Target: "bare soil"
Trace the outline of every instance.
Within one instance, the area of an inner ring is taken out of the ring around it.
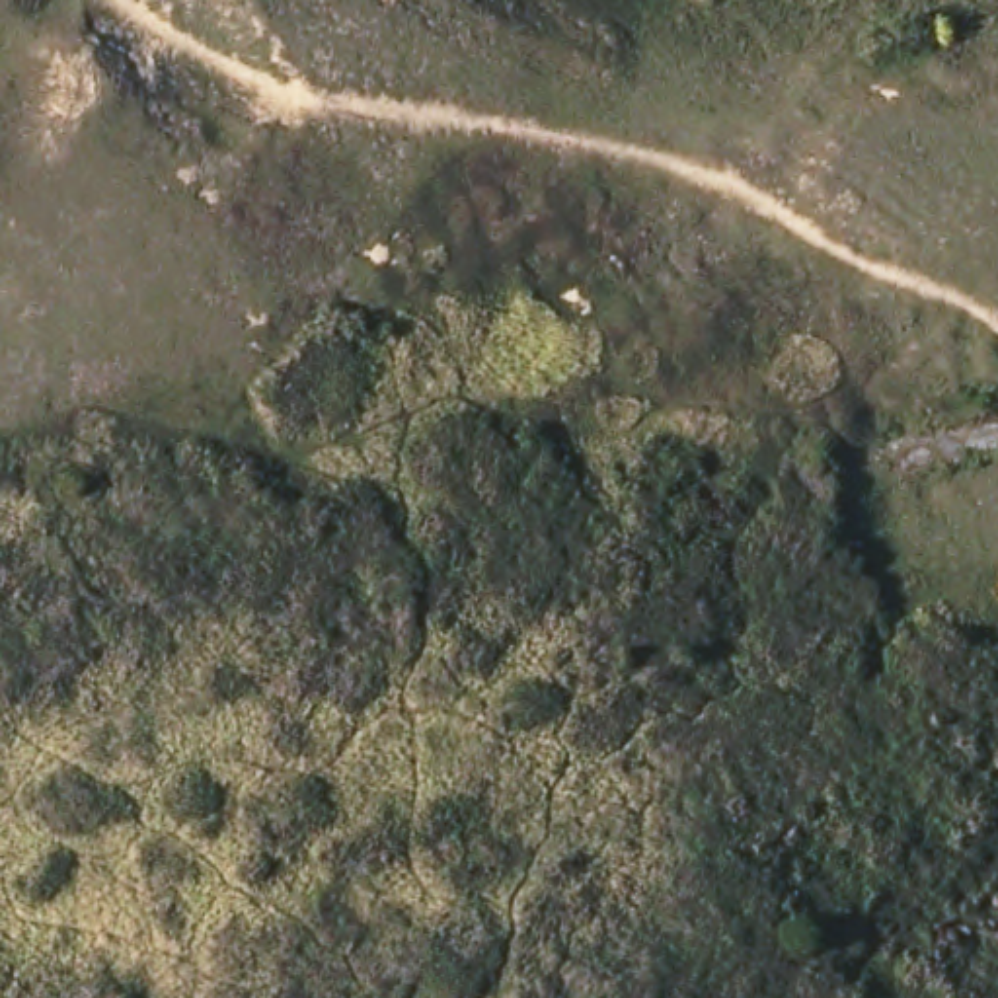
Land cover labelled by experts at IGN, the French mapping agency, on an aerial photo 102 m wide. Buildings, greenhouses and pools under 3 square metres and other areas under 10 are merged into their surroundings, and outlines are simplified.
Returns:
[[[947,19],[936,19],[936,43],[947,43],[951,35],[979,35],[979,12],[955,4]]]
[[[0,538],[16,542],[27,530],[35,499],[0,491]]]
[[[144,82],[156,78],[156,58],[168,51],[152,31],[140,31],[140,47],[133,47],[133,58]]]
[[[82,117],[97,105],[94,51],[58,51],[47,70],[47,105],[39,105],[19,125],[19,144],[39,148],[43,160],[66,156]]]
[[[312,58],[304,58],[296,66],[300,78],[320,94],[351,94],[339,82],[331,51],[316,51]]]
[[[819,125],[795,136],[795,175],[787,175],[772,195],[787,203],[795,214],[823,226],[826,238],[838,238],[873,261],[897,265],[908,242],[893,226],[881,226],[873,211],[862,211],[850,191],[834,195],[819,183],[838,156],[838,140]]]
[[[355,480],[355,452],[335,444],[312,452],[312,468],[324,476]]]

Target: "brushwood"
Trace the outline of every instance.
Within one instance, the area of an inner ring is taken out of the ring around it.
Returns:
[[[955,429],[979,429],[990,421],[998,425],[998,374],[990,382],[971,382],[940,398],[940,413]]]
[[[526,616],[538,628],[546,612],[565,616],[581,604],[589,608],[589,620],[581,620],[573,635],[589,635],[596,706],[581,713],[573,745],[585,752],[612,752],[616,745],[635,737],[643,710],[651,710],[651,741],[671,741],[678,749],[678,776],[694,780],[698,799],[713,811],[713,823],[706,826],[706,850],[698,854],[698,885],[686,901],[678,901],[682,916],[694,924],[694,936],[682,940],[655,920],[639,920],[632,943],[643,943],[651,951],[651,979],[620,982],[620,998],[998,998],[998,651],[967,647],[959,635],[943,635],[943,628],[932,620],[916,624],[912,612],[904,612],[901,624],[893,624],[881,612],[873,581],[865,577],[862,561],[838,542],[830,542],[830,522],[838,511],[834,480],[823,472],[826,444],[838,441],[846,433],[846,417],[865,405],[865,394],[854,386],[846,370],[834,378],[826,394],[811,402],[784,402],[780,409],[760,409],[752,421],[756,448],[729,441],[713,448],[682,433],[659,433],[643,448],[639,468],[616,464],[624,495],[639,491],[635,522],[624,522],[604,507],[600,480],[593,476],[593,468],[565,480],[565,472],[550,460],[542,441],[518,452],[515,417],[499,413],[487,402],[476,402],[464,413],[444,413],[437,425],[429,425],[437,448],[444,452],[441,476],[433,480],[433,511],[468,522],[472,542],[495,542],[495,550],[487,554],[487,585],[515,589],[511,612]]]
[[[460,975],[456,998],[491,998],[507,971],[507,932],[503,940],[483,940],[483,947],[472,959],[452,959]]]

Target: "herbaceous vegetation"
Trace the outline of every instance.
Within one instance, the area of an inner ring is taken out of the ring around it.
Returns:
[[[826,394],[834,378],[846,370],[854,386],[865,394],[865,405],[846,417],[846,433],[838,441],[826,444],[823,472],[834,480],[838,511],[830,522],[830,542],[838,542],[862,561],[865,577],[873,581],[881,612],[893,624],[901,624],[904,612],[912,612],[916,624],[932,620],[943,628],[943,635],[959,635],[967,647],[998,651],[998,444],[967,448],[955,460],[943,456],[916,468],[901,468],[889,452],[893,437],[928,437],[955,429],[940,413],[940,398],[971,382],[990,382],[998,374],[998,324],[979,324],[951,304],[924,300],[908,288],[873,281],[842,265],[838,257],[807,246],[780,222],[749,211],[741,199],[686,183],[659,168],[608,160],[593,152],[557,152],[546,144],[495,133],[409,129],[343,113],[304,117],[304,125],[257,121],[250,113],[253,90],[242,90],[238,82],[207,70],[203,62],[168,51],[156,58],[156,78],[144,82],[133,58],[133,47],[140,47],[140,31],[101,0],[0,0],[0,491],[35,499],[27,530],[16,542],[0,538],[0,998],[456,998],[460,975],[452,959],[472,959],[483,947],[483,940],[503,940],[507,932],[507,971],[491,998],[620,998],[620,982],[651,979],[651,951],[643,943],[632,943],[639,920],[655,920],[682,940],[694,936],[694,924],[682,916],[678,901],[686,901],[698,885],[698,854],[706,850],[706,826],[713,823],[713,811],[698,799],[694,780],[678,776],[678,749],[671,741],[651,741],[651,710],[643,710],[635,737],[616,745],[612,752],[585,752],[573,745],[581,713],[596,706],[589,635],[573,635],[581,620],[589,620],[589,608],[581,604],[565,616],[546,612],[538,628],[526,616],[511,612],[515,589],[487,585],[487,554],[495,550],[495,542],[472,542],[468,522],[433,511],[433,480],[441,476],[444,452],[437,448],[429,425],[437,425],[444,413],[464,413],[476,402],[487,402],[499,413],[515,417],[518,452],[542,441],[550,460],[565,472],[565,480],[593,468],[593,476],[600,480],[604,507],[624,522],[635,522],[639,491],[624,495],[616,464],[639,468],[643,448],[659,433],[682,433],[713,448],[729,441],[756,448],[752,421],[760,409],[780,409],[784,402],[811,402]],[[82,117],[66,156],[43,160],[39,148],[19,144],[19,125],[39,105],[47,105],[47,70],[58,51],[94,51],[97,105]],[[355,480],[324,476],[312,468],[312,452],[335,444],[355,452]]]
[[[168,4],[172,23],[211,43],[214,51],[234,55],[277,82],[300,78],[296,66],[304,58],[312,58],[316,51],[331,51],[339,82],[351,94],[460,105],[468,113],[526,117],[550,129],[596,133],[643,148],[663,148],[710,168],[733,168],[737,175],[772,195],[787,175],[795,175],[795,136],[819,125],[838,140],[838,156],[819,183],[834,195],[850,191],[862,211],[873,211],[881,226],[893,226],[908,242],[897,265],[924,273],[940,285],[955,285],[975,300],[998,308],[998,0],[152,0],[152,12]],[[955,4],[979,12],[979,35],[951,35],[947,43],[936,43],[936,19],[947,19]]]

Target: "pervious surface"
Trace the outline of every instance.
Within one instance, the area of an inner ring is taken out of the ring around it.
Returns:
[[[787,203],[772,195],[737,175],[733,168],[710,168],[663,148],[643,148],[596,133],[550,129],[526,117],[468,113],[460,105],[351,94],[320,94],[300,78],[277,82],[234,55],[214,51],[211,43],[172,23],[168,4],[152,12],[152,0],[101,0],[140,31],[152,31],[168,51],[203,62],[207,70],[238,82],[242,90],[253,90],[250,113],[257,121],[304,125],[304,117],[343,113],[409,129],[495,133],[546,144],[557,152],[593,152],[608,160],[659,168],[686,183],[741,199],[749,211],[780,222],[807,246],[838,257],[842,265],[873,281],[908,288],[924,300],[951,304],[979,324],[998,324],[998,308],[975,300],[955,285],[940,285],[924,273],[897,265],[873,261],[838,238],[826,238],[823,226],[795,214]]]
[[[998,425],[990,421],[979,429],[955,429],[928,437],[893,437],[889,452],[901,468],[916,468],[943,456],[955,460],[967,448],[998,444]]]

